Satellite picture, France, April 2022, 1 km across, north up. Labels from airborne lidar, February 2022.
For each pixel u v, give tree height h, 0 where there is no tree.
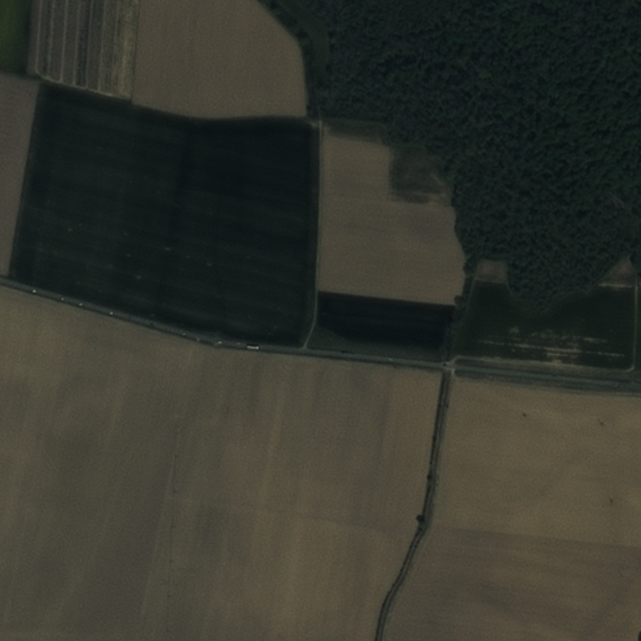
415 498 0
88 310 0
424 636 0
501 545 0
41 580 0
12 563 0
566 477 0
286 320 0
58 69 0
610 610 0
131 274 0
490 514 0
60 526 0
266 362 0
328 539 0
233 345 0
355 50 20
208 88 0
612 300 0
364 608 0
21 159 0
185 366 0
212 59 0
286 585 0
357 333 0
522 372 0
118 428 0
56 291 0
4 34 0
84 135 0
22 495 0
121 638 0
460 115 9
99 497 0
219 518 0
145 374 0
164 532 0
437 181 0
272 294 0
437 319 0
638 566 0
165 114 0
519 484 0
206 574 0
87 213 0
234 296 0
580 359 0
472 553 0
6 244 0
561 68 24
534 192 9
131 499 0
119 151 0
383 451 0
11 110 0
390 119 15
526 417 0
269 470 0
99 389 0
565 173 20
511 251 19
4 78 0
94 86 0
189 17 0
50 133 0
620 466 0
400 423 0
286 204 0
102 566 0
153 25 0
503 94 22
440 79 24
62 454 0
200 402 0
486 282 0
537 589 0
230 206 0
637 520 0
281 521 0
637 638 0
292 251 0
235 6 0
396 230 0
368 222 0
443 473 0
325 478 0
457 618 0
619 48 20
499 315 0
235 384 0
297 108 0
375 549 0
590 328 0
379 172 0
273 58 0
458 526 0
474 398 0
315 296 0
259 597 0
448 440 0
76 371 0
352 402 0
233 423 0
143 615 0
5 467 0
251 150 0
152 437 0
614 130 22
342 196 0
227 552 0
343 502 0
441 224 0
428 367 0
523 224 24
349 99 8
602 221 20
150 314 0
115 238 0
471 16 13
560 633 0
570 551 0
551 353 0
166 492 0
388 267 0
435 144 10
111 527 0
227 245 0
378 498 0
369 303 0
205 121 0
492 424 0
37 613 0
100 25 0
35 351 0
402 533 0
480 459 0
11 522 0
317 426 0
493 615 0
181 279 0
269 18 0
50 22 0
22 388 0
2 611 0
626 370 0
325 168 0
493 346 0
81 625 0
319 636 0
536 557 0
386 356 0
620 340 0
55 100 0
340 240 0
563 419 0
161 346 0
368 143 0
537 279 16
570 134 20
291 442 0
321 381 0
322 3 14
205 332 0
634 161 24
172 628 0
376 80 22
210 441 0
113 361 0
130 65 0
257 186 0
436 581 0
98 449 0
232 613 0
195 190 0
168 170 0
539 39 22
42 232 0
